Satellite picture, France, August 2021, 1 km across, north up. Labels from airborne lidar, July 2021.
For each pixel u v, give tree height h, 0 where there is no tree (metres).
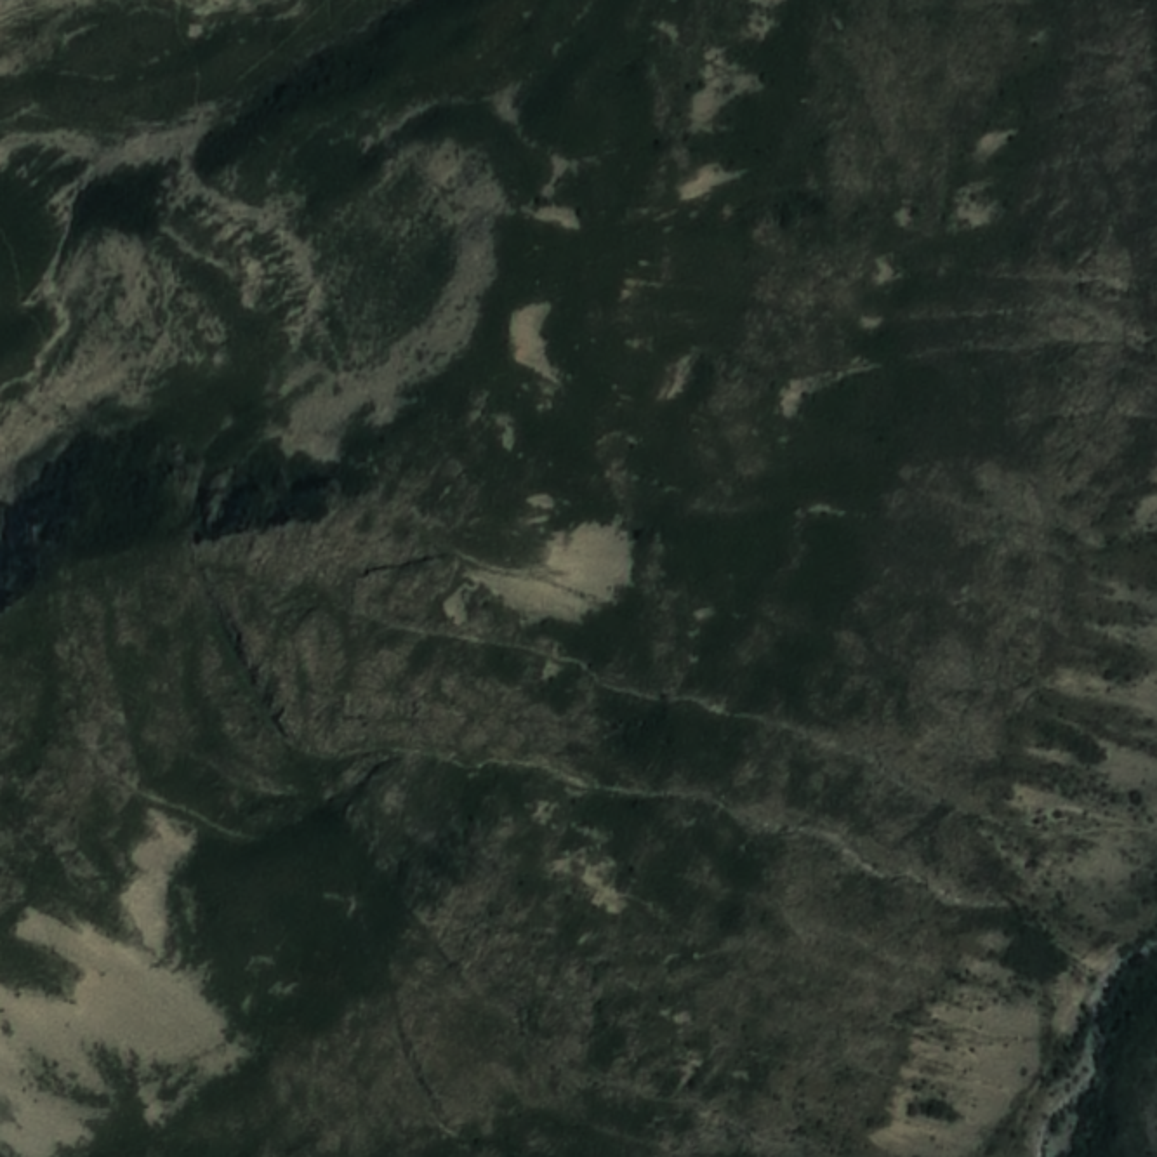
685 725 0
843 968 0
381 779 0
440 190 0
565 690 0
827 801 0
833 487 0
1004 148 0
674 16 0
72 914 0
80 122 0
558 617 0
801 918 0
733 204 0
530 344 0
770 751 0
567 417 0
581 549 0
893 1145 0
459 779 0
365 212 0
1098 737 0
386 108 0
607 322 0
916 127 0
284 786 0
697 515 0
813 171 0
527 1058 0
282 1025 0
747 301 0
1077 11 0
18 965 0
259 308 0
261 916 0
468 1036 0
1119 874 0
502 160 0
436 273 0
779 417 0
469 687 0
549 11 0
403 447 0
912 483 0
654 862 0
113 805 0
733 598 0
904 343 0
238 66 0
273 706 0
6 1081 0
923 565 0
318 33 0
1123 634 0
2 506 0
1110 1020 16
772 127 0
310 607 0
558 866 0
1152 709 0
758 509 0
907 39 0
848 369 0
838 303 0
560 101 0
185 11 0
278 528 0
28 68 0
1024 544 0
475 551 0
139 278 0
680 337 0
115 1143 0
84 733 0
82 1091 0
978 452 0
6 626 0
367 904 0
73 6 0
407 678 0
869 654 0
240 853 0
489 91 0
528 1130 0
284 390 0
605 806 0
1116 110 0
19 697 0
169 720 0
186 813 0
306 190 0
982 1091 0
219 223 0
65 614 0
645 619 0
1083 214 0
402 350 0
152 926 0
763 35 0
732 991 0
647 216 0
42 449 0
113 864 0
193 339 0
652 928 0
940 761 0
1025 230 0
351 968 0
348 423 0
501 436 0
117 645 0
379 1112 0
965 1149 0
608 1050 0
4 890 0
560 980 0
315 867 0
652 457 0
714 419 0
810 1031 0
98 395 0
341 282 0
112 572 0
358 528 0
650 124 0
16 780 0
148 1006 0
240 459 0
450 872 0
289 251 0
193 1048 0
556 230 0
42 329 0
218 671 0
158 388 0
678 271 0
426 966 0
